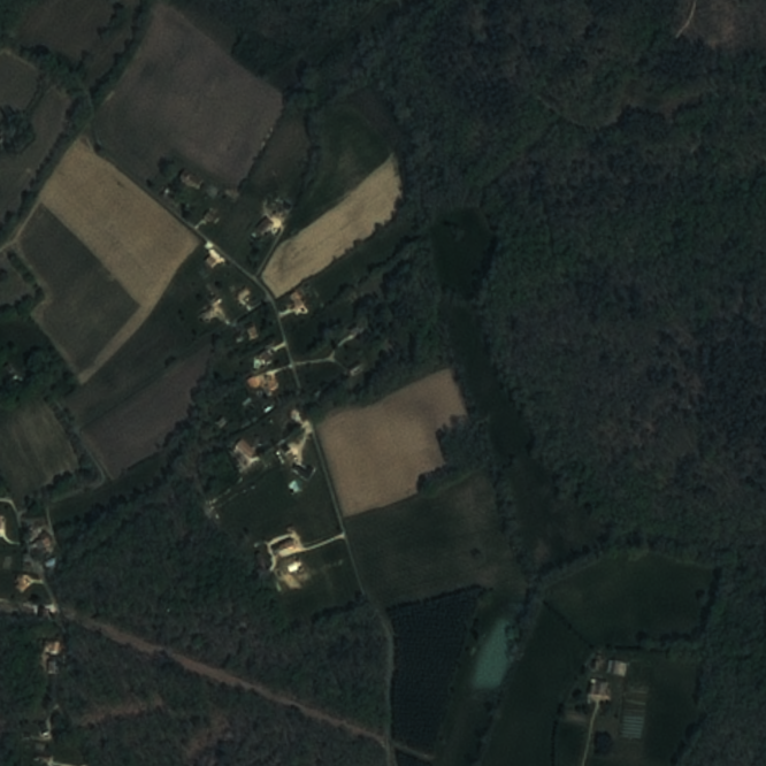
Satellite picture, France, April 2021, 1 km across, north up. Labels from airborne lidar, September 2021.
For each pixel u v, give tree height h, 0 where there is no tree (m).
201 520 18
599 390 8
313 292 0
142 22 16
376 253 0
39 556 16
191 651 12
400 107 26
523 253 21
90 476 19
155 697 21
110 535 22
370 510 0
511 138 19
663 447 14
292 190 0
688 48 21
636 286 15
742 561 19
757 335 22
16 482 0
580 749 0
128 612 11
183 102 0
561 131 21
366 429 0
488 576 0
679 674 0
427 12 18
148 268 0
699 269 26
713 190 26
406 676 13
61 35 0
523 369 21
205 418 15
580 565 24
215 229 0
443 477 19
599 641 0
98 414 0
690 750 15
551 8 18
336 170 0
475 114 26
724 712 20
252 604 18
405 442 0
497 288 25
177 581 12
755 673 17
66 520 0
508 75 11
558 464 18
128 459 0
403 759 14
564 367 15
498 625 0
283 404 12
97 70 0
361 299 0
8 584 0
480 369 0
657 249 24
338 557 0
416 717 15
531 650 0
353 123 0
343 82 10
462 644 13
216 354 12
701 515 22
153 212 0
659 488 19
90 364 0
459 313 0
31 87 0
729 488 22
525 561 17
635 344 13
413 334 22
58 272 0
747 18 11
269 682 19
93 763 19
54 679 15
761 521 25
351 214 0
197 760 0
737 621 18
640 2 20
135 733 17
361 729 23
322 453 0
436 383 0
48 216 0
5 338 0
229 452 5
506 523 11
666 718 0
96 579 15
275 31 9
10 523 0
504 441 0
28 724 7
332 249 0
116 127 0
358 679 22
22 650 22
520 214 23
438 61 25
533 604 17
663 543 22
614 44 12
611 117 11
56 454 0
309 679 17
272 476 0
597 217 17
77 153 0
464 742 0
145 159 0
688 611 0
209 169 0
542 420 17
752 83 19
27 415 0
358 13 29
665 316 18
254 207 0
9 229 11
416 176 15
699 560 20
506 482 18
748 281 18
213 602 17
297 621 0
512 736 0
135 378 0
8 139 12
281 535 0
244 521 0
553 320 11
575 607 0
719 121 21
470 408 10
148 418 0
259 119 0
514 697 0
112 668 13
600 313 19
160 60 0
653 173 20
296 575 0
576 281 25
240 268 0
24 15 17
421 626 14
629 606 0
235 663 13
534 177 11
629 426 14
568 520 0
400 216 14
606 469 18
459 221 0
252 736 10
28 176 0
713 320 18
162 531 20
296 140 0
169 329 0
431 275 23
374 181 0
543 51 9
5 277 13
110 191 0
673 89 16
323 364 0
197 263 0
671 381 20
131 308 0
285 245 0
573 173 9
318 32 15
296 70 0
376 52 12
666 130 24
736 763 18
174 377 0
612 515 26
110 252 0
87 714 19
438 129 25
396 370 23
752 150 18
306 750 19
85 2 0
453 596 11
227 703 21
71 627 14
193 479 9
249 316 6
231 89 0
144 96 0
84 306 0
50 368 16
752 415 23
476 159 18
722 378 21
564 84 13
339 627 17
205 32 0
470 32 11
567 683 0
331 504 0
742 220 33
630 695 0
